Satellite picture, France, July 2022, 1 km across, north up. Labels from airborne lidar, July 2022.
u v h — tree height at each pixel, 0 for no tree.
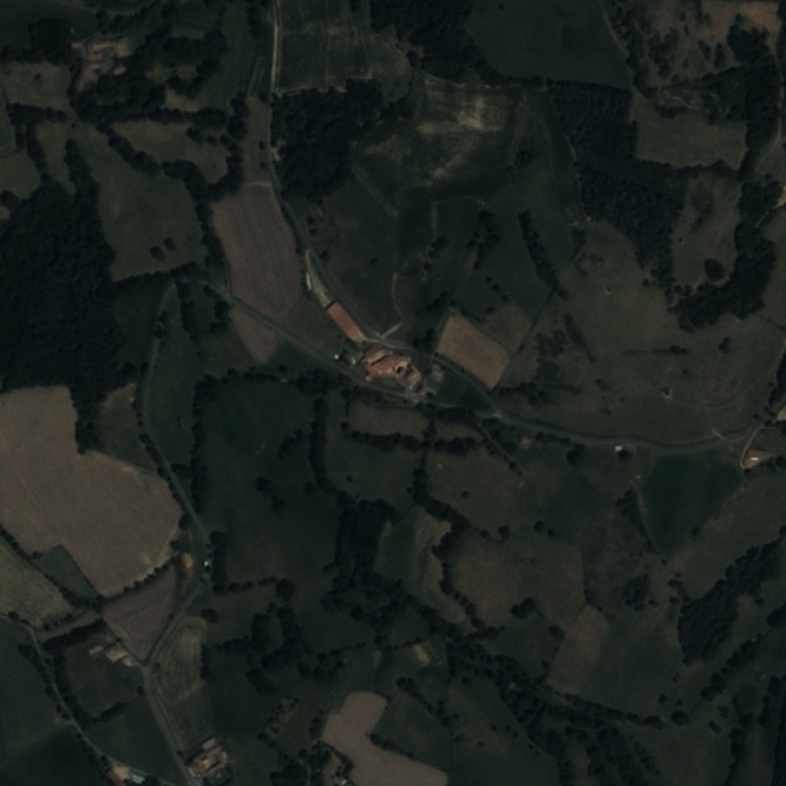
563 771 12
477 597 0
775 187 11
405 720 0
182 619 0
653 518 0
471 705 0
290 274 0
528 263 0
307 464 0
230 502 0
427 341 12
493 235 9
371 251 0
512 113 0
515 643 0
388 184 0
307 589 0
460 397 0
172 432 0
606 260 0
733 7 0
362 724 0
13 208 21
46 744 0
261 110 0
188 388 0
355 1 17
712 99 11
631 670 0
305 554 0
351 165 14
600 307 0
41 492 0
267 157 0
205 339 0
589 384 0
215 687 0
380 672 0
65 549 0
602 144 17
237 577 0
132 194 0
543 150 0
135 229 0
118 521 0
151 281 24
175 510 0
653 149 0
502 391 10
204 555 0
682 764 0
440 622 11
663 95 0
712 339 0
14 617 15
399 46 7
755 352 0
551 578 0
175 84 22
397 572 0
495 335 0
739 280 23
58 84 0
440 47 17
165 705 0
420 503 14
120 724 0
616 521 0
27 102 0
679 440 0
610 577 0
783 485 0
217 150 0
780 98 13
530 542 0
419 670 0
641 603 10
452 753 0
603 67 0
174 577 0
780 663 0
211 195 21
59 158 0
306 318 0
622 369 0
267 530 0
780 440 0
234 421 0
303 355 0
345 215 0
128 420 0
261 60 0
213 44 24
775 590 0
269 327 0
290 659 26
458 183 0
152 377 0
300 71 0
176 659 0
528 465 0
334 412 0
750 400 0
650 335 0
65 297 24
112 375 23
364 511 26
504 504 0
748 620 0
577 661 0
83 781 0
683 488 0
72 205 17
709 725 0
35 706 0
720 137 0
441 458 0
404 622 0
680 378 0
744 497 0
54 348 23
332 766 0
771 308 0
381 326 0
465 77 12
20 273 16
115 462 0
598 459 0
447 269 0
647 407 0
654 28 0
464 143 0
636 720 15
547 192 0
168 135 0
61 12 0
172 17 18
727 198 0
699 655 12
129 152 16
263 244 0
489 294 0
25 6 0
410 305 0
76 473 0
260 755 0
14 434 0
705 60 0
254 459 0
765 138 17
